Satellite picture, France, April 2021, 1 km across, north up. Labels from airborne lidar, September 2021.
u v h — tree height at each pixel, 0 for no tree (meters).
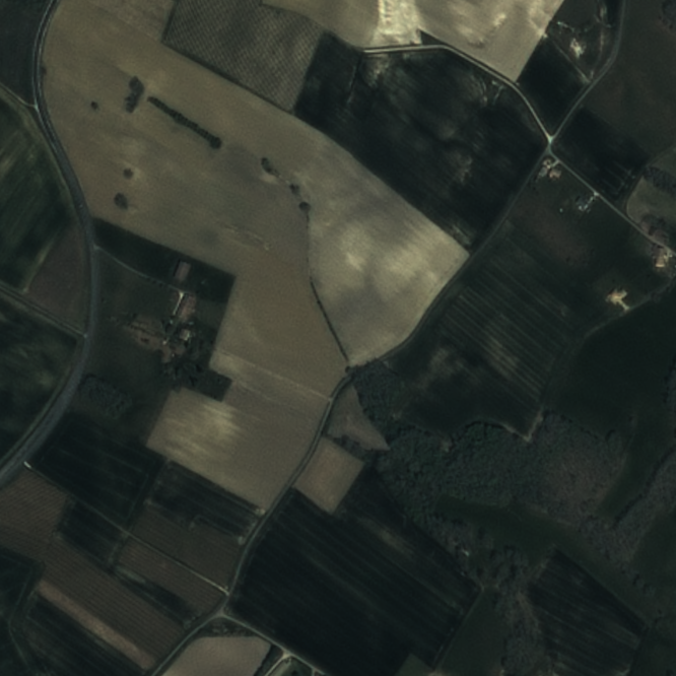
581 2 0
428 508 10
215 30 0
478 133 0
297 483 0
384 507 0
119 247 0
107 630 0
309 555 0
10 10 0
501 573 16
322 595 0
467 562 14
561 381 0
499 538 0
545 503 22
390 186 0
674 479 24
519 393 0
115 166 0
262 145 0
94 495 0
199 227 0
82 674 0
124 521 0
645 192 0
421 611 0
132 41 0
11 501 0
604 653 0
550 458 20
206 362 0
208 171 0
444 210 0
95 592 0
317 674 0
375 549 0
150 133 0
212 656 0
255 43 0
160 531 0
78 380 0
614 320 0
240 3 0
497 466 17
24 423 0
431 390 0
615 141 0
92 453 0
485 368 0
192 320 0
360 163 0
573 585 0
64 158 0
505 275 0
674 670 0
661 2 0
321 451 0
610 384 0
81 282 0
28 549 0
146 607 0
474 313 0
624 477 0
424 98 0
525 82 0
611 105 0
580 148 0
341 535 0
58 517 0
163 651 0
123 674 0
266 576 0
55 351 0
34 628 0
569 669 0
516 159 0
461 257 0
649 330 0
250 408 0
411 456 21
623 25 0
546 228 0
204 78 0
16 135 0
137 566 0
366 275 0
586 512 15
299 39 0
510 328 0
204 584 0
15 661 0
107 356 0
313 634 0
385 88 0
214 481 0
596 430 0
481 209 0
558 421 19
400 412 0
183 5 0
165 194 0
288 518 0
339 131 0
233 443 0
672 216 0
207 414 0
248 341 0
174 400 0
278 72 0
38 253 0
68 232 0
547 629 0
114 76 0
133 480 0
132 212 0
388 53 0
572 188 0
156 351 0
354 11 0
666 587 0
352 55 0
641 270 0
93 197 0
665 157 0
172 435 0
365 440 0
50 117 0
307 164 0
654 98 0
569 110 0
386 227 0
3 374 0
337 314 0
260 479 0
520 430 0
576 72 0
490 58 0
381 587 0
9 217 0
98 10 0
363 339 0
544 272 0
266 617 0
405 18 0
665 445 0
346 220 0
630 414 0
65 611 0
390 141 0
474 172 0
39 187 0
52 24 0
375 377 15
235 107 0
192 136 0
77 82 0
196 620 0
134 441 0
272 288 0
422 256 0
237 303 0
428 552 0
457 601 0
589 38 0
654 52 0
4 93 0
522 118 0
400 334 0
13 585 0
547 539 0
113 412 15
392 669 0
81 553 0
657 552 0
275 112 0
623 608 0
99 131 0
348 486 0
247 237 0
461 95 0
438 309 0
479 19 0
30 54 0
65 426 0
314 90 0
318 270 0
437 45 0
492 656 0
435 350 0
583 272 0
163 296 0
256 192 0
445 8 0
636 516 20
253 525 0
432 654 0
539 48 0
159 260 0
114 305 0
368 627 0
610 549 22
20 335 0
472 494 23
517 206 0
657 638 0
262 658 0
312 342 0
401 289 0
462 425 0
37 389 0
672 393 12
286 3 0
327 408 0
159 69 0
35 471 0
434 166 0
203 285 0
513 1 0
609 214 0
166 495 0
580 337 0
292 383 0
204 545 0
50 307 0
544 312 0
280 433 0
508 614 18
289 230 0
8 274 0
